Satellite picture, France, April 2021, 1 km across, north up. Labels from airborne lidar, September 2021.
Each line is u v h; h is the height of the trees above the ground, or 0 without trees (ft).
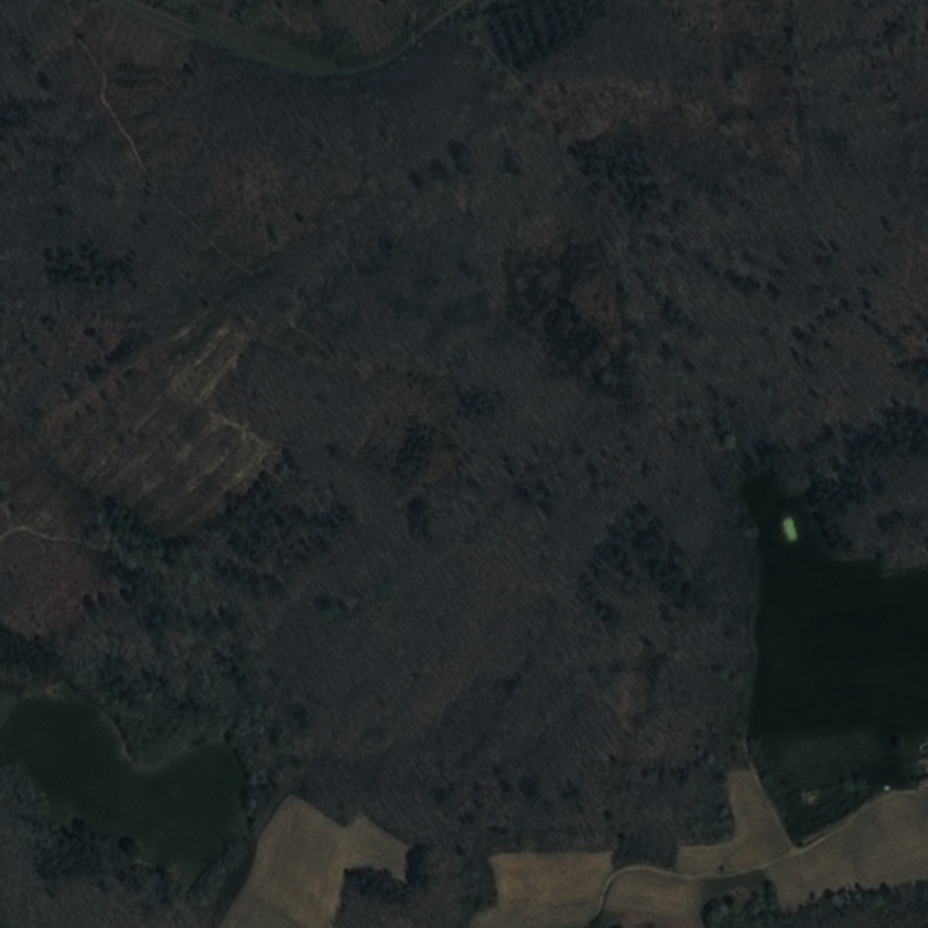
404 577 56
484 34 48
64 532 0
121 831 0
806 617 0
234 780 0
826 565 0
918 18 69
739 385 53
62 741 0
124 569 58
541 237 52
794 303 49
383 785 54
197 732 65
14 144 54
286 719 53
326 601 53
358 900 54
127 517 94
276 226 20
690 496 49
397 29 57
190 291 40
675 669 45
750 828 0
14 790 70
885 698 0
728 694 35
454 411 20
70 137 56
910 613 0
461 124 50
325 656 63
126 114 18
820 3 32
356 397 54
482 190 59
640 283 53
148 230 34
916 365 29
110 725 0
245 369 55
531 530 70
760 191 41
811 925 35
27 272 24
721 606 66
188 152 28
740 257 53
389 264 63
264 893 0
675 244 51
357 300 57
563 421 55
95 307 35
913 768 31
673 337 80
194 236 33
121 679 79
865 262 44
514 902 0
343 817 63
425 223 44
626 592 58
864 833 0
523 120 75
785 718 0
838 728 0
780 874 0
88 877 100
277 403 65
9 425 30
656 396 45
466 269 60
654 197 43
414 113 41
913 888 34
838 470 58
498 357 52
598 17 60
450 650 45
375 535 59
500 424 49
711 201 50
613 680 69
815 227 61
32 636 18
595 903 0
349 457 45
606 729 51
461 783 25
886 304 30
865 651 0
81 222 34
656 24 43
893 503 51
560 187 43
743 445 54
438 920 46
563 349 29
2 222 37
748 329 59
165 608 99
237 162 26
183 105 26
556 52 66
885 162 51
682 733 43
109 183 56
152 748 64
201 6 44
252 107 39
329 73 0
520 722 56
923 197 48
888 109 52
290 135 35
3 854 70
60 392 44
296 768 50
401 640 33
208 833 0
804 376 47
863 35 26
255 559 99
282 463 78
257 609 78
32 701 0
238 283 24
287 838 0
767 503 0
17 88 48
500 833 40
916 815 0
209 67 33
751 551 50
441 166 44
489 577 29
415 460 32
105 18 36
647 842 34
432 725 29
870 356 36
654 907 0
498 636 42
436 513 52
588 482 52
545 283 27
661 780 26
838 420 43
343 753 41
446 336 53
